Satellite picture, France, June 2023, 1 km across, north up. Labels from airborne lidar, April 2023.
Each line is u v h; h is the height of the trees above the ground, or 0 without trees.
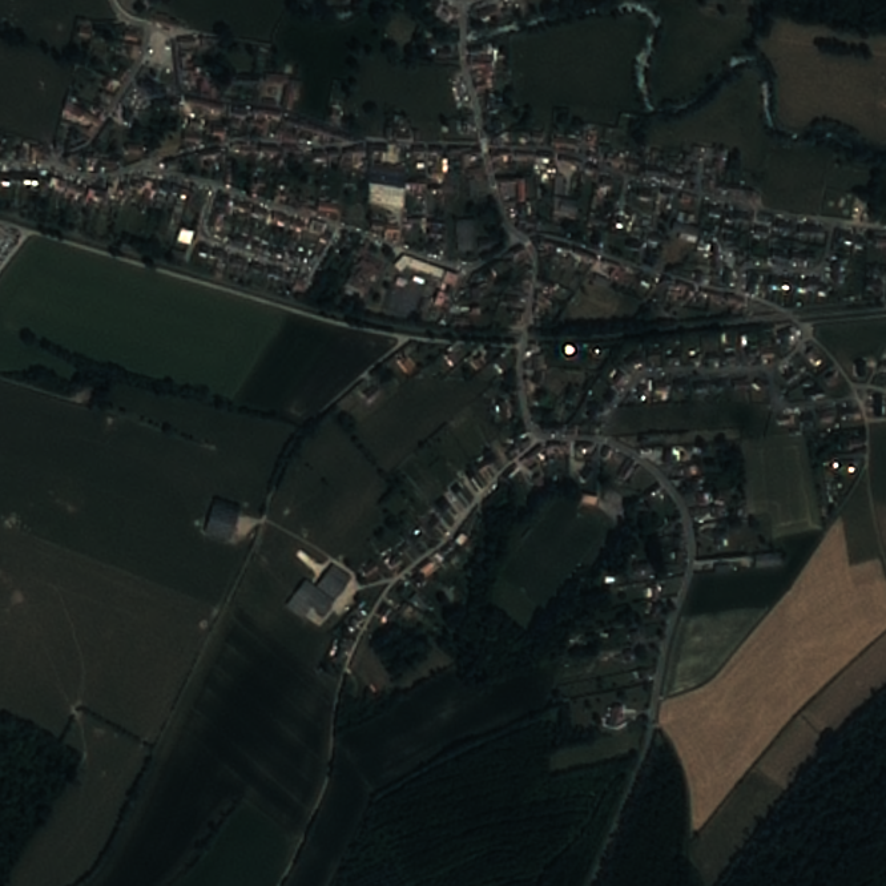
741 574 0
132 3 0
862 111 0
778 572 0
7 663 0
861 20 22
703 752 0
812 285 0
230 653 0
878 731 15
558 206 0
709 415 0
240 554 0
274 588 0
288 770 0
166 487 0
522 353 0
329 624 0
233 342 0
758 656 0
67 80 0
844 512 0
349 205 0
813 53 0
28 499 0
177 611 0
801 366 0
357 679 0
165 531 0
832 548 0
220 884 0
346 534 0
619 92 0
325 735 0
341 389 0
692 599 0
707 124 0
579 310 0
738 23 0
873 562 0
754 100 0
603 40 0
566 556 0
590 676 0
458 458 0
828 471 0
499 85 0
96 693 0
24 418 0
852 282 0
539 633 16
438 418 0
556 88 0
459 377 0
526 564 0
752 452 0
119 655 0
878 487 0
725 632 0
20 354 0
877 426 0
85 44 7
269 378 0
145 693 0
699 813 0
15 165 0
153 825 0
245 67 0
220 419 0
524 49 0
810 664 0
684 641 0
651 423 0
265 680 0
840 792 19
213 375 0
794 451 0
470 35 0
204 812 0
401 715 0
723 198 0
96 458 0
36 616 0
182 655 0
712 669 0
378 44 0
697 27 0
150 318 0
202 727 0
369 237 0
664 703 0
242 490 0
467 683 17
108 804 0
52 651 0
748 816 0
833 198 0
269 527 0
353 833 0
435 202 0
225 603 0
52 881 0
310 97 0
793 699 0
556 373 0
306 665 0
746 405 0
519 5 0
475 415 0
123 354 0
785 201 0
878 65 0
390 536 0
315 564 0
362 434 0
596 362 0
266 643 0
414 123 0
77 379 10
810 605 0
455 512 0
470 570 10
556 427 0
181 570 0
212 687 0
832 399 0
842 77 0
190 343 0
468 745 8
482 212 15
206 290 0
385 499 6
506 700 0
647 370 0
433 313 0
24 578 0
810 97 0
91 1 0
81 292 0
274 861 0
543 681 0
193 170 9
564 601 15
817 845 16
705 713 0
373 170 0
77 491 0
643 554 0
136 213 0
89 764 0
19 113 0
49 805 7
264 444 0
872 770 18
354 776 0
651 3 12
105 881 0
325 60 0
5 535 0
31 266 0
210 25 0
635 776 0
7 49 0
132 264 0
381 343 0
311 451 0
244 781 0
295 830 0
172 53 0
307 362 0
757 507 0
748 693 0
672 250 0
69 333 0
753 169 0
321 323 0
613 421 0
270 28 0
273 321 0
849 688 0
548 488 15
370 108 12
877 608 0
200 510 0
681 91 0
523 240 0
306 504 0
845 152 8
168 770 0
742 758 0
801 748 0
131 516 0
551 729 6
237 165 11
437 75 0
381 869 9
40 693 0
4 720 18
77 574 0
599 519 0
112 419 0
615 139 0
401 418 0
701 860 0
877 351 0
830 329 0
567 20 13
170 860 0
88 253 0
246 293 0
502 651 16
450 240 0
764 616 0
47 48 16
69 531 0
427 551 0
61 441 0
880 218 0
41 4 0
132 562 0
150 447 0
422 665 0
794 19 17
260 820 0
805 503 0
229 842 0
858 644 0
